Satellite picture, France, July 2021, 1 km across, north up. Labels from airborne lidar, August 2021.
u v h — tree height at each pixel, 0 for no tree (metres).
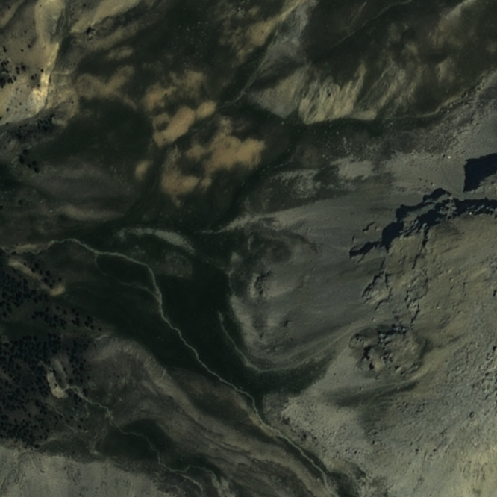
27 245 0
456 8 0
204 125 0
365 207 0
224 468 0
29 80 0
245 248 0
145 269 0
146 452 0
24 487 0
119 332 0
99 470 0
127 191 0
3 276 15
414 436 0
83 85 0
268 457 0
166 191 0
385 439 0
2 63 6
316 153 0
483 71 0
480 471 0
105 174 0
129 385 0
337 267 0
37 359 16
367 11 0
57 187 0
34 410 0
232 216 0
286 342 0
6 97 0
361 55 0
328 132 0
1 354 15
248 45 0
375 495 0
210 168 0
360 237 0
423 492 0
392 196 0
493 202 0
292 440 0
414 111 0
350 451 0
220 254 0
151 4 0
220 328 0
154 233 0
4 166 0
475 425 0
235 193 0
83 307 0
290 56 0
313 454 0
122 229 0
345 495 0
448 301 0
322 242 0
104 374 0
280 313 0
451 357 0
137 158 0
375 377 0
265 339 0
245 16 0
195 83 0
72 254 0
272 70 0
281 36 0
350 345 0
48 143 0
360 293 0
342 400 0
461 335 0
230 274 0
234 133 0
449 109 0
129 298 0
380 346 0
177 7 0
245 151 0
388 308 0
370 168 0
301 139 0
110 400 0
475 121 0
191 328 0
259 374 0
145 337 0
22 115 0
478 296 0
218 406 0
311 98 0
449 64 0
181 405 0
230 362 0
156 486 0
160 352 0
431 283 0
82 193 0
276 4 0
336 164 0
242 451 0
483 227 0
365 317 0
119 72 0
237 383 0
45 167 0
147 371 0
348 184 0
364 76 0
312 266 0
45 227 0
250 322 0
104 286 0
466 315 0
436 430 0
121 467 0
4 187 0
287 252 0
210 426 0
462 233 0
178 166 0
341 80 0
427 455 0
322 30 0
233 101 0
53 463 0
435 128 0
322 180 0
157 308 0
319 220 0
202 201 0
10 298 16
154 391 0
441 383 0
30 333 0
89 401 0
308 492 0
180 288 0
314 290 0
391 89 0
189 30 0
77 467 0
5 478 0
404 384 0
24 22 0
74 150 0
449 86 0
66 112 0
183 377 0
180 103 0
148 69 0
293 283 0
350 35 0
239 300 0
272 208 0
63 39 0
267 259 0
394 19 0
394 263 0
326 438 0
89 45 0
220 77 0
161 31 0
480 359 0
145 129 0
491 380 0
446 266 0
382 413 0
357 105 0
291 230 0
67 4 0
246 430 0
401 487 0
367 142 0
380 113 0
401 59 0
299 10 0
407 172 0
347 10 0
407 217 0
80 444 0
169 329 0
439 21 0
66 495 0
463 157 0
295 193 0
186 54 0
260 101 0
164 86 0
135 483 0
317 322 0
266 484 0
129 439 0
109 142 0
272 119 0
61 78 0
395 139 0
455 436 0
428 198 0
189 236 0
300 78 0
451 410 0
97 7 0
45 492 0
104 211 0
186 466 0
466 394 0
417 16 0
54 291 0
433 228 0
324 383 0
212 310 0
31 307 0
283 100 0
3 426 12
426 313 0
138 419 0
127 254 0
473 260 0
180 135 0
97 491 0
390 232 0
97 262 0
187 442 0
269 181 0
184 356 0
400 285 0
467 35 0
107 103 0
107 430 0
